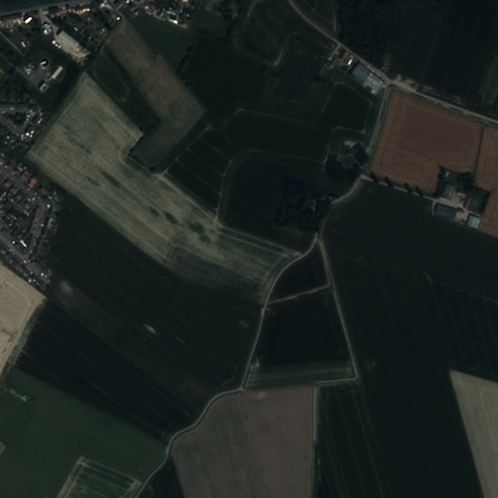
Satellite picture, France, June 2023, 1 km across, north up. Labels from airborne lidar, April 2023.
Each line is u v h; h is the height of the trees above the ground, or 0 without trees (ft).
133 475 0
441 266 0
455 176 0
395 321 0
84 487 0
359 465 0
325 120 0
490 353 0
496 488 0
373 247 0
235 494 0
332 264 0
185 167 0
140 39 0
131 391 0
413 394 0
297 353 0
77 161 0
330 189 0
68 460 0
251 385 0
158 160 0
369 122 0
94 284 0
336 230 0
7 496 0
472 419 0
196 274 0
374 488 0
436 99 0
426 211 0
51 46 0
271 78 0
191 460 0
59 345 0
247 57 0
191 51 36
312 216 55
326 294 0
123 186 0
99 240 0
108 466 0
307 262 0
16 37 0
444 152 0
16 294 0
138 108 0
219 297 0
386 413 0
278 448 0
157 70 0
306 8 0
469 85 0
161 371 0
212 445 0
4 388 0
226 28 0
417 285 0
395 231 0
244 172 0
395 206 0
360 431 0
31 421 0
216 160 0
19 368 0
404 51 0
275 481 0
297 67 0
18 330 0
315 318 0
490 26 0
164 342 0
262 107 0
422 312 0
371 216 0
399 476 0
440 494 0
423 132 0
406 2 0
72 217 0
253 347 0
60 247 0
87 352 0
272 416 0
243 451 0
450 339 0
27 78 0
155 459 0
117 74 0
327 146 0
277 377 0
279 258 0
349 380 0
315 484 0
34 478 0
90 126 0
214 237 0
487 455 0
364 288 0
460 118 0
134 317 0
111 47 0
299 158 0
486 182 0
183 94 0
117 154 0
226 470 0
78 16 23
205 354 0
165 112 0
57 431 0
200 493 0
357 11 64
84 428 0
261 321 0
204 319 0
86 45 19
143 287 0
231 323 0
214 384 0
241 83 0
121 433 0
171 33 0
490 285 0
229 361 0
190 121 0
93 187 0
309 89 0
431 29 0
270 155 0
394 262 0
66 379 0
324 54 0
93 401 0
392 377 0
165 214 0
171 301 0
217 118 0
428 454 0
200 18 0
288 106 0
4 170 0
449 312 0
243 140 0
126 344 0
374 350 0
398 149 0
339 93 0
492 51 0
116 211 0
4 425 0
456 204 0
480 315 0
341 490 0
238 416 0
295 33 0
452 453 0
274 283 0
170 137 0
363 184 0
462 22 0
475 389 0
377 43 72
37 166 0
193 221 0
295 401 0
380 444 0
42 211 0
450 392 0
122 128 0
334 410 0
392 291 0
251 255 0
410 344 0
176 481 0
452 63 0
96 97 0
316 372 0
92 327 0
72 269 0
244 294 0
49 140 0
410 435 0
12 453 0
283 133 0
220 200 0
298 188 85
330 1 0
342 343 0
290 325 0
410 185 0
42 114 0
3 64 0
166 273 0
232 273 0
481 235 0
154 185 0
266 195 0
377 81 0
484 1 0
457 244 0
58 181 0
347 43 28
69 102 0
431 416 0
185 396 0
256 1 0
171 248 0
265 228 0
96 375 0
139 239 0
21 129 0
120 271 0
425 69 0
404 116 0
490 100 0
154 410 0
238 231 0
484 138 0
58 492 0
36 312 0
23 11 0
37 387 0
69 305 0
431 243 0
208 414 0
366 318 0
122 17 0
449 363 0
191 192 0
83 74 0
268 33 0
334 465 0
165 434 0
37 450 0
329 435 0
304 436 0
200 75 0
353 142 0
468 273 0
